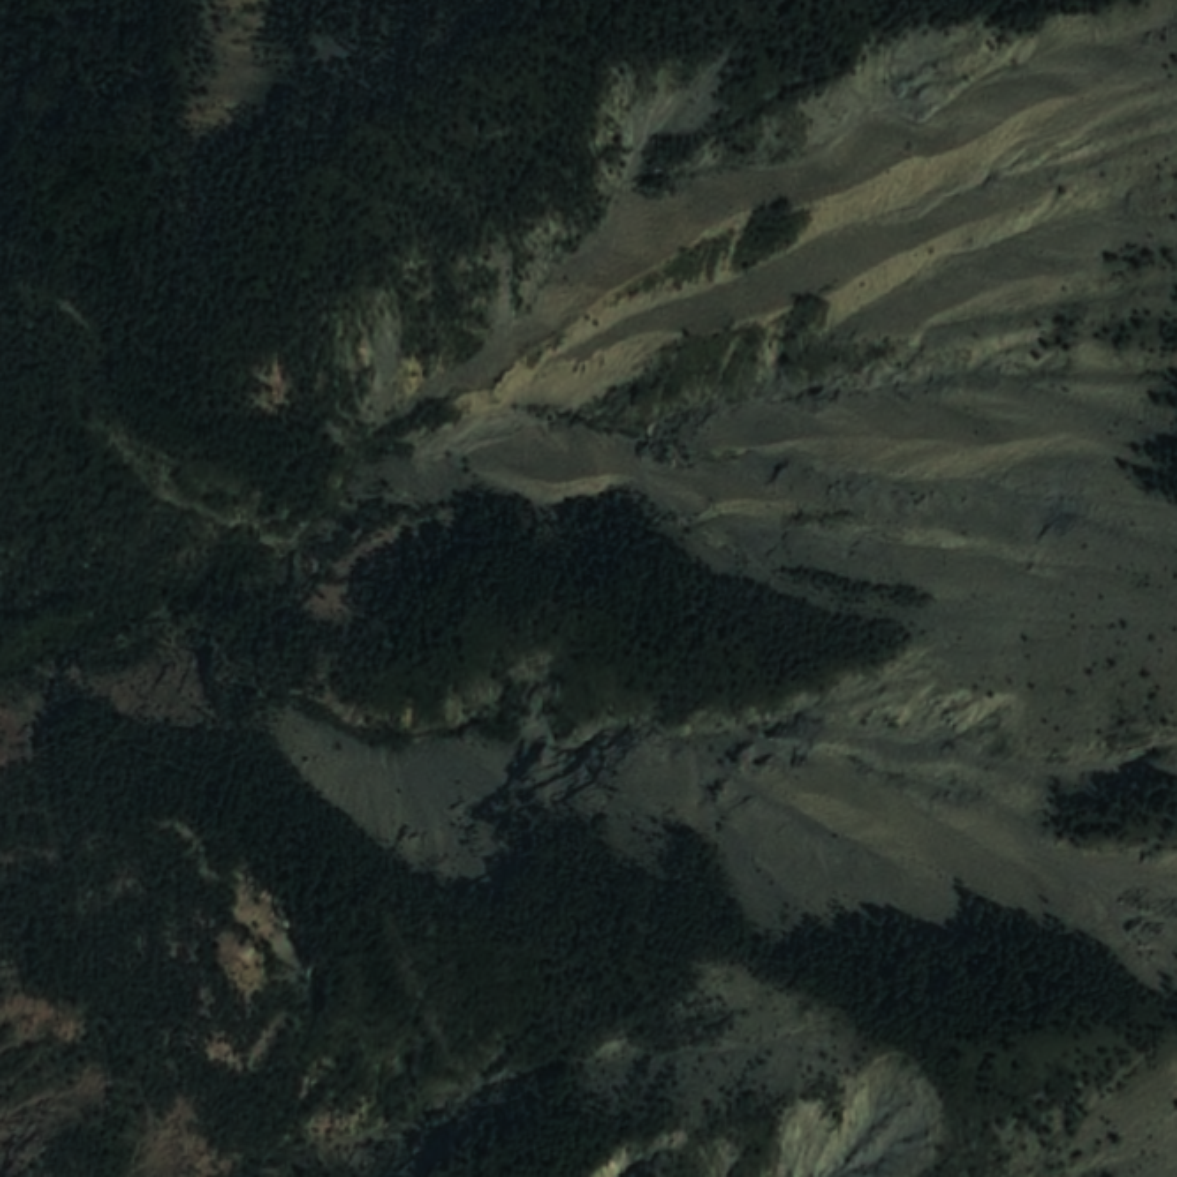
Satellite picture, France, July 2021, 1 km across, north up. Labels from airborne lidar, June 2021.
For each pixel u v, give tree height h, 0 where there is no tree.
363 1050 6
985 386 0
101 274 12
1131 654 0
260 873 12
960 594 0
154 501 7
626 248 0
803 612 12
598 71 10
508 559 22
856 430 0
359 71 8
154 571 7
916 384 0
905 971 34
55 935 8
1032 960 34
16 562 8
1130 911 0
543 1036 6
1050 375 0
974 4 14
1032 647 0
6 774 8
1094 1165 0
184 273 8
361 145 8
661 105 0
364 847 18
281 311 11
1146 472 15
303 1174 13
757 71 9
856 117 0
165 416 23
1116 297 0
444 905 18
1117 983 19
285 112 10
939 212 0
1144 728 0
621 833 0
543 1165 9
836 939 17
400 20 9
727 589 11
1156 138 0
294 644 13
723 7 7
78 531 9
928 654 0
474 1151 6
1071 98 0
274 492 14
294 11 12
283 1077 10
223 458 14
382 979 10
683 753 0
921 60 0
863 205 0
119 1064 14
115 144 24
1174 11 0
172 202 9
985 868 0
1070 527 0
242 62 0
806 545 0
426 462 0
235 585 6
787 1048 0
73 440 7
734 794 0
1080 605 0
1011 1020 22
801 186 0
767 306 0
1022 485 0
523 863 11
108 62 23
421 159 6
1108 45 0
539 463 0
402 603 18
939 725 0
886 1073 0
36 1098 0
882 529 0
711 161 0
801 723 0
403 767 0
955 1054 13
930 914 0
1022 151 0
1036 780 0
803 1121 0
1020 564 0
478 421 0
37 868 9
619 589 26
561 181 7
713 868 12
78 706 14
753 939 6
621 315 0
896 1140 0
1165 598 0
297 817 18
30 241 19
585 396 0
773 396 0
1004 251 0
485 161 9
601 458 0
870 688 0
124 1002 7
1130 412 0
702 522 0
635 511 12
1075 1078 9
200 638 7
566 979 7
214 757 9
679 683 6
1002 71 0
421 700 7
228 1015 7
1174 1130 0
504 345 0
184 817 6
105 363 6
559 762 0
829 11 7
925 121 0
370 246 9
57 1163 8
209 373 12
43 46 13
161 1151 0
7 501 7
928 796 0
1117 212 0
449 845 0
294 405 8
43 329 6
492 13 12
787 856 0
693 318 0
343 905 13
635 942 14
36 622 14
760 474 0
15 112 12
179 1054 6
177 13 21
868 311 0
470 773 0
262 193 8
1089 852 0
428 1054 6
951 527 0
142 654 7
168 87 22
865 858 0
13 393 16
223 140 8
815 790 0
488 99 8
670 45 8
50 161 19
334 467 17
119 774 6
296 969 0
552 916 20
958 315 0
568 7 11
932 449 0
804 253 0
